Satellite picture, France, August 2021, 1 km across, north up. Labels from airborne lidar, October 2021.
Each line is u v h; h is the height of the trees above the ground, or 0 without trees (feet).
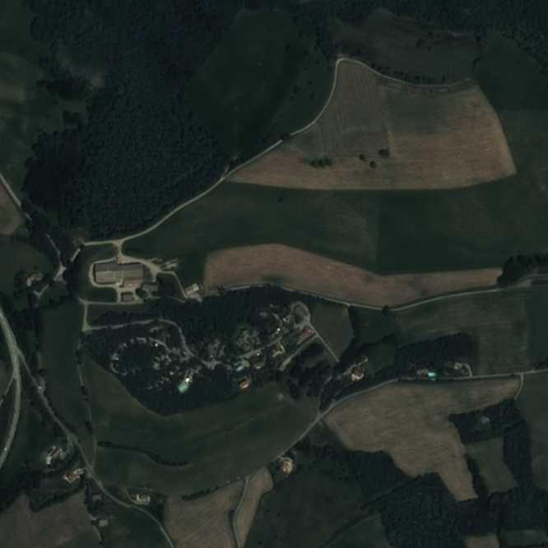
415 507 33
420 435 0
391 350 0
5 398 29
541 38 37
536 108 0
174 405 33
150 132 31
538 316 0
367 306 0
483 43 46
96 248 0
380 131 0
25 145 0
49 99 0
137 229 35
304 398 0
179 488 0
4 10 0
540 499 39
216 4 34
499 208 0
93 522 30
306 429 0
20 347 28
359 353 48
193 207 0
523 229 0
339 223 0
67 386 0
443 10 48
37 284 30
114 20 36
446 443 0
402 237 0
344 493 0
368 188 0
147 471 0
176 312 24
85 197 22
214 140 33
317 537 0
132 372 22
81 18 31
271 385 0
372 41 0
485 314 0
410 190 0
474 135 0
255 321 26
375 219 0
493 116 0
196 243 0
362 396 0
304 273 0
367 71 0
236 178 0
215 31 38
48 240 44
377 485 26
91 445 0
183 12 44
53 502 31
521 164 0
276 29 0
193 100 0
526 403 0
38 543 0
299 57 0
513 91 0
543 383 0
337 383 39
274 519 0
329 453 37
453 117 0
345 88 0
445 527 35
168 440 0
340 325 0
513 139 0
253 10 54
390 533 62
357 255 0
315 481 0
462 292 0
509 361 0
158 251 0
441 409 0
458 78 0
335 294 0
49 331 0
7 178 0
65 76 27
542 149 0
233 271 0
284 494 0
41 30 54
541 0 28
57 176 79
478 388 0
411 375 33
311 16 36
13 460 0
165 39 52
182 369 22
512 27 36
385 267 0
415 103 0
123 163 32
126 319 39
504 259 0
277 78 0
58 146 45
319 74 0
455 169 0
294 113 0
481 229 0
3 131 0
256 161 0
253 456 0
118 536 0
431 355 43
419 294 0
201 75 0
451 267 0
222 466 0
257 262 0
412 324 0
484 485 57
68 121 48
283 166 0
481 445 0
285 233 0
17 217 0
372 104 0
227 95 0
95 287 0
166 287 31
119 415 0
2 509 37
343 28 0
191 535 0
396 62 0
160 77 47
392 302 0
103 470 0
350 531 0
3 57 0
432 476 31
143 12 44
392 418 0
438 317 0
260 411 0
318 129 0
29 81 0
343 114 0
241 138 0
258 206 0
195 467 0
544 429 0
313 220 0
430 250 0
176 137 40
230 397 25
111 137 34
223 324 46
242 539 0
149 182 32
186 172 26
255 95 0
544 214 0
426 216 0
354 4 43
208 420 0
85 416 0
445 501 60
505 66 0
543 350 0
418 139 0
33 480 43
